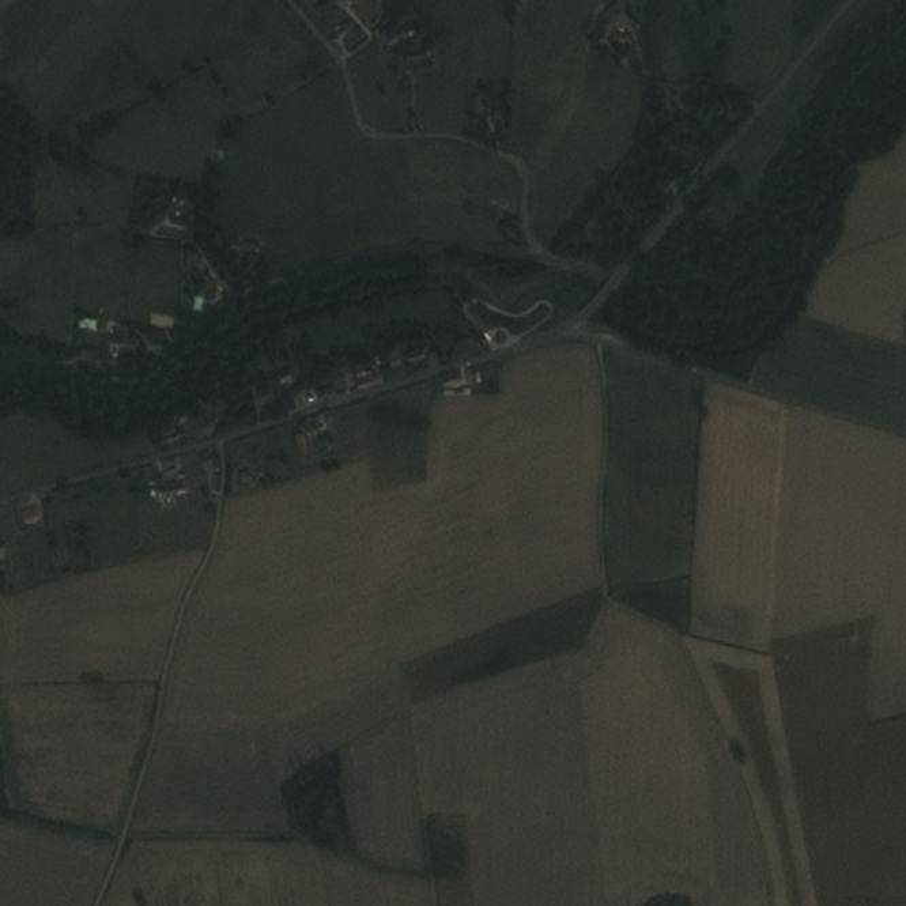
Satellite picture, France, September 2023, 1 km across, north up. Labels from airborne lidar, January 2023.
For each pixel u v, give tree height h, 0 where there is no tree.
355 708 0
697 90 7
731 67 0
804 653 0
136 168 0
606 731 0
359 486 0
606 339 0
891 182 0
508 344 0
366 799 0
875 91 21
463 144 0
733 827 0
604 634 0
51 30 0
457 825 0
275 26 0
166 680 0
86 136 19
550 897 0
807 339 0
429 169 0
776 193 8
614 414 0
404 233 0
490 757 0
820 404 0
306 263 0
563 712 0
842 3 0
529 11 0
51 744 0
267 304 17
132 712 0
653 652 0
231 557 0
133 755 0
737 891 0
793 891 0
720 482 0
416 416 0
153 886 0
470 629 0
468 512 0
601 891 0
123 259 0
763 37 0
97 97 0
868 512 0
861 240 0
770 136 0
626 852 0
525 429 0
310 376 6
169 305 0
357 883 0
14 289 0
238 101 0
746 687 0
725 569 0
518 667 0
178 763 0
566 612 0
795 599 0
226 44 0
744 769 0
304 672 0
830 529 0
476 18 0
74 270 0
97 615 0
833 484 0
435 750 0
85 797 0
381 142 0
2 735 0
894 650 0
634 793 0
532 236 0
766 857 0
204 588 0
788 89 0
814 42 0
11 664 0
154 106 0
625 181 11
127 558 0
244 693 0
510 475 0
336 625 0
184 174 0
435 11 0
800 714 0
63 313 0
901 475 0
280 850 0
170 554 0
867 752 0
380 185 0
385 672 0
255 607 0
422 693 0
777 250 20
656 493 0
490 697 0
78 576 0
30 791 0
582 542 0
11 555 0
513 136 0
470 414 0
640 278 6
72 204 0
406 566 0
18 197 18
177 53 0
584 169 0
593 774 0
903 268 0
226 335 16
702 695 0
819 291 0
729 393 0
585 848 0
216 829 0
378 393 0
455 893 0
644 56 0
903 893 0
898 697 0
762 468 0
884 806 0
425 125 0
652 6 0
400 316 0
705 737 0
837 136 13
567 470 0
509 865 0
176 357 25
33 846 0
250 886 0
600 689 0
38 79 0
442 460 0
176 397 13
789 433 0
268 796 0
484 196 0
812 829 0
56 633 0
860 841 0
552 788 0
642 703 0
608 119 0
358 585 0
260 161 0
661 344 12
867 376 0
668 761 0
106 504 0
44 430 0
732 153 0
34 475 0
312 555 0
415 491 0
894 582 0
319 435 6
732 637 0
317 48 0
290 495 0
